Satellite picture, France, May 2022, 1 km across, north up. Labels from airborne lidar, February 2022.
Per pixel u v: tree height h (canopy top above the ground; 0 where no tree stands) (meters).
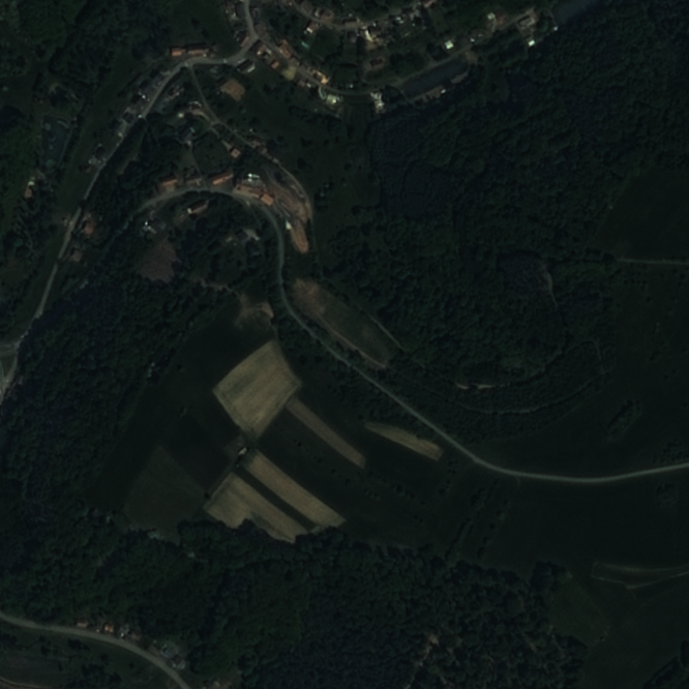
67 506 23
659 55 19
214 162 0
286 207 0
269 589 35
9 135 30
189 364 0
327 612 31
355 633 26
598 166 23
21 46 0
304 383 0
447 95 8
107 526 22
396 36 11
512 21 0
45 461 39
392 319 30
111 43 27
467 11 30
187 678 0
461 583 30
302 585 31
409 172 14
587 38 18
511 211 20
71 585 27
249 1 0
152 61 0
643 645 0
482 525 0
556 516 0
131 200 20
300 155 0
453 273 26
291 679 31
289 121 0
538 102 26
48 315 0
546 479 0
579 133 22
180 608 7
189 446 0
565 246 17
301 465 0
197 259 11
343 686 27
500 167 23
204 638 23
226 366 0
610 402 0
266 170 0
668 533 0
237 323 0
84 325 32
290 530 0
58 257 0
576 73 24
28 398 26
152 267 0
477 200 14
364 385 17
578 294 11
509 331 23
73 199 0
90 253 0
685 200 0
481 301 29
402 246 16
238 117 0
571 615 0
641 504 0
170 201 0
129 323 29
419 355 21
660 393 0
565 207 25
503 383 0
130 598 32
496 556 0
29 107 0
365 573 34
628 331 0
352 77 0
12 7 9
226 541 23
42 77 13
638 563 0
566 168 30
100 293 18
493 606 20
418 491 0
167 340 15
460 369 8
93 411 28
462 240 15
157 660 0
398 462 0
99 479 0
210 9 0
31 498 30
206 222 15
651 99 25
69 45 16
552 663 23
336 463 0
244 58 0
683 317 0
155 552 31
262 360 0
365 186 0
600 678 0
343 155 0
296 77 0
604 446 0
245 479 0
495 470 0
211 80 0
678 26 11
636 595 0
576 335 21
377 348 0
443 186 21
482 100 19
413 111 20
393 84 0
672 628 0
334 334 0
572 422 0
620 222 0
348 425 0
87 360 34
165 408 0
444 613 31
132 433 0
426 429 12
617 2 13
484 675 30
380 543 0
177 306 12
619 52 28
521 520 0
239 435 0
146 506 0
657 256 0
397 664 26
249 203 0
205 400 0
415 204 14
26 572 26
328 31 0
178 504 0
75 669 0
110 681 22
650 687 15
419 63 21
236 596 27
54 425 36
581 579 0
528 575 0
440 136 22
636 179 0
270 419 0
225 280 0
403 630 26
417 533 0
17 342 0
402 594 29
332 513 0
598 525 0
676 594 0
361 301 0
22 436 32
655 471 0
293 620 34
